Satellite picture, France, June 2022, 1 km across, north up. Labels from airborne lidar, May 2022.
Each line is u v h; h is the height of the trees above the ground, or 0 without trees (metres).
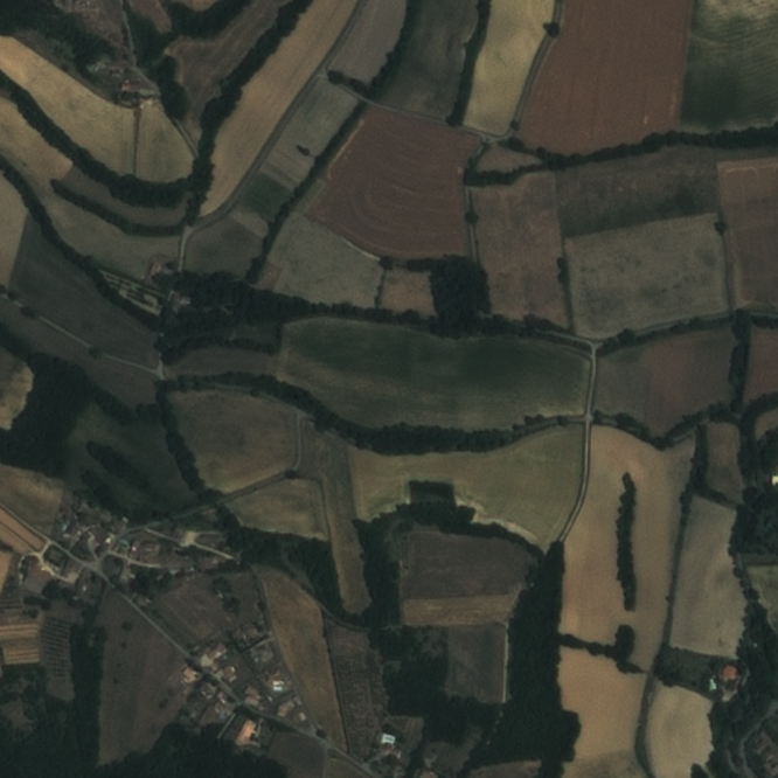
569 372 0
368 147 0
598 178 0
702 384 0
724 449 0
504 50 0
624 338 15
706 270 0
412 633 8
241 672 0
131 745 0
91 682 12
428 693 11
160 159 0
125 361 0
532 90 0
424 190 0
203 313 15
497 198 0
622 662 13
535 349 0
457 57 0
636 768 0
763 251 0
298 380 0
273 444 0
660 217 0
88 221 0
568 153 0
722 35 0
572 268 0
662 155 0
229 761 12
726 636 0
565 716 19
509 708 12
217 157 0
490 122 0
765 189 0
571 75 0
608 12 0
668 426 0
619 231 0
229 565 10
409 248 0
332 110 0
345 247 0
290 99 0
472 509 8
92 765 11
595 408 0
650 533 0
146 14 0
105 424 0
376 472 0
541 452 0
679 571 0
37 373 15
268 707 0
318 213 0
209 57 0
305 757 0
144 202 11
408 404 0
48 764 10
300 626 0
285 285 0
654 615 0
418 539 0
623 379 0
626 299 0
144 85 0
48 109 0
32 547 0
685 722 0
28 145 0
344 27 0
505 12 0
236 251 0
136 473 13
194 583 0
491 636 0
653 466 0
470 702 12
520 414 0
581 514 0
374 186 0
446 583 0
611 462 0
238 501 0
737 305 0
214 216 0
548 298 0
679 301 0
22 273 0
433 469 0
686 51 0
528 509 0
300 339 0
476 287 31
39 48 0
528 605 13
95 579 16
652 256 0
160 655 0
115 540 0
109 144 0
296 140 0
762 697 18
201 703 0
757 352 0
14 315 0
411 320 20
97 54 14
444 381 0
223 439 0
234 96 22
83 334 0
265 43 19
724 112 0
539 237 0
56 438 20
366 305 0
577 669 0
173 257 0
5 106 0
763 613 12
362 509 0
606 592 0
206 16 13
